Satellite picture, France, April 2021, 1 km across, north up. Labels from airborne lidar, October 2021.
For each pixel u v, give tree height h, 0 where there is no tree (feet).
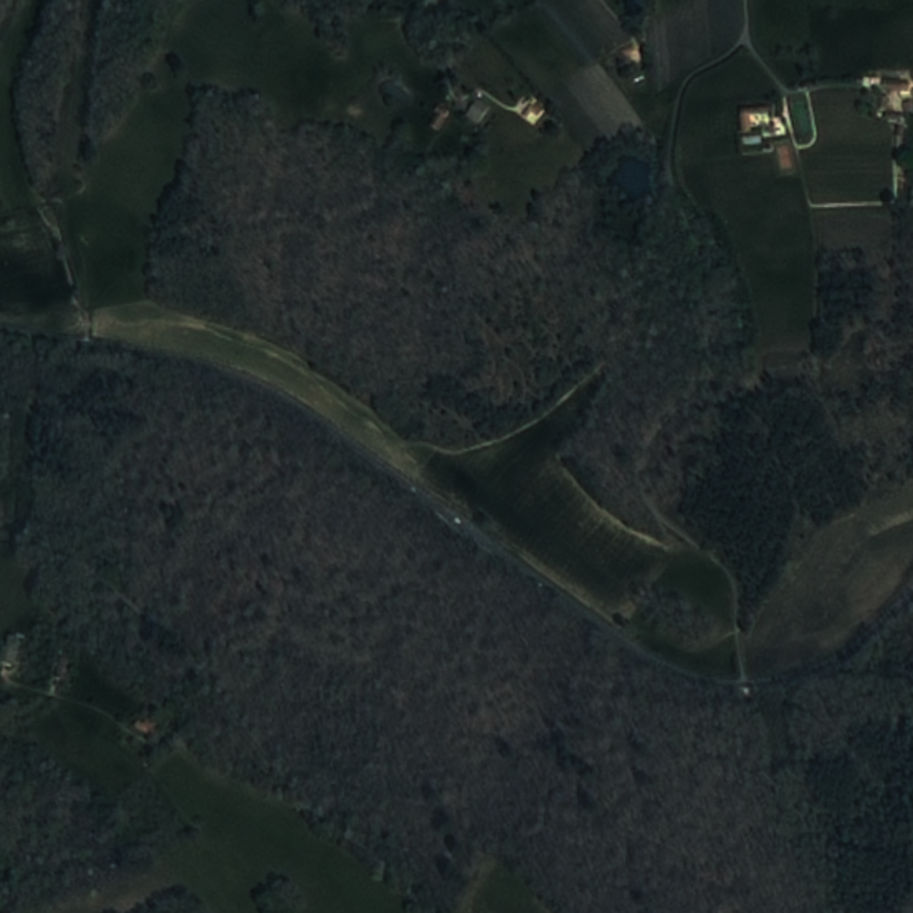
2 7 55
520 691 65
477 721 72
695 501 81
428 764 34
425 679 35
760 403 64
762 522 63
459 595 34
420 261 35
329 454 85
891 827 42
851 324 35
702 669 0
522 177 0
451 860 36
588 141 0
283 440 52
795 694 61
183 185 54
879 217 0
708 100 0
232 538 40
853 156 0
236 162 37
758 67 0
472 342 61
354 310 42
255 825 0
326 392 0
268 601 81
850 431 55
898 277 24
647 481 56
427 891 46
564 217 50
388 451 0
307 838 0
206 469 37
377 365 58
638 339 64
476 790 49
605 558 0
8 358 56
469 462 0
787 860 87
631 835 41
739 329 46
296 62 0
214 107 71
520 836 39
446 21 64
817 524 57
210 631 25
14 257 0
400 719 43
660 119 0
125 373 48
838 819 75
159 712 42
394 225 49
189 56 0
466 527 0
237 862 0
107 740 0
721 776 69
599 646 84
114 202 0
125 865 87
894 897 49
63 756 0
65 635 56
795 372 0
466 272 51
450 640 40
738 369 73
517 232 54
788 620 0
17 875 77
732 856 58
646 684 95
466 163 54
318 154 34
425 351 39
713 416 73
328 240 53
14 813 68
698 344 75
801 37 0
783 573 38
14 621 0
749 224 0
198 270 57
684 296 79
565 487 0
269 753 36
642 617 70
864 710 80
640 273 77
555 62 0
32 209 0
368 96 0
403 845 37
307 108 0
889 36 0
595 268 73
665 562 0
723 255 50
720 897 44
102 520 59
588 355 49
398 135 57
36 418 40
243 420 43
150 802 26
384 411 59
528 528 0
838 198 0
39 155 65
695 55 0
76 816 51
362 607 78
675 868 37
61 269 0
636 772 45
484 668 33
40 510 39
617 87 0
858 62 0
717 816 60
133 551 71
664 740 70
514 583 65
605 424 47
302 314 69
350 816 41
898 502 0
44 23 57
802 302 0
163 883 0
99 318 0
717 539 70
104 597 73
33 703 29
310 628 52
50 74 71
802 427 69
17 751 28
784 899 59
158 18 86
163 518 43
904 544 0
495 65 0
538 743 49
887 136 0
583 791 44
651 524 46
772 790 69
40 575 60
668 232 85
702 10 0
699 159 0
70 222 0
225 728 45
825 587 0
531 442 0
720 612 0
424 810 40
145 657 38
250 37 0
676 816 61
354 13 45
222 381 61
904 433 48
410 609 52
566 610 95
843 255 39
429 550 59
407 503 87
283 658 60
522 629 61
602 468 50
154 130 0
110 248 0
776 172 0
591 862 42
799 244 0
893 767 66
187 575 27
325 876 0
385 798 49
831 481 52
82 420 68
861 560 0
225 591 22
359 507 61
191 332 0
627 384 65
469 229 39
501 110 0
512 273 55
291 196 35
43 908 66
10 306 0
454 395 53
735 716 79
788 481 56
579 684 64
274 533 55
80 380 42
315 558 52
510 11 23
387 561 51
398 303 42
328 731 45
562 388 39
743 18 0
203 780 0
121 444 56
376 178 35
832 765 76
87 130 70
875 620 0
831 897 39
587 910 44
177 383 61
